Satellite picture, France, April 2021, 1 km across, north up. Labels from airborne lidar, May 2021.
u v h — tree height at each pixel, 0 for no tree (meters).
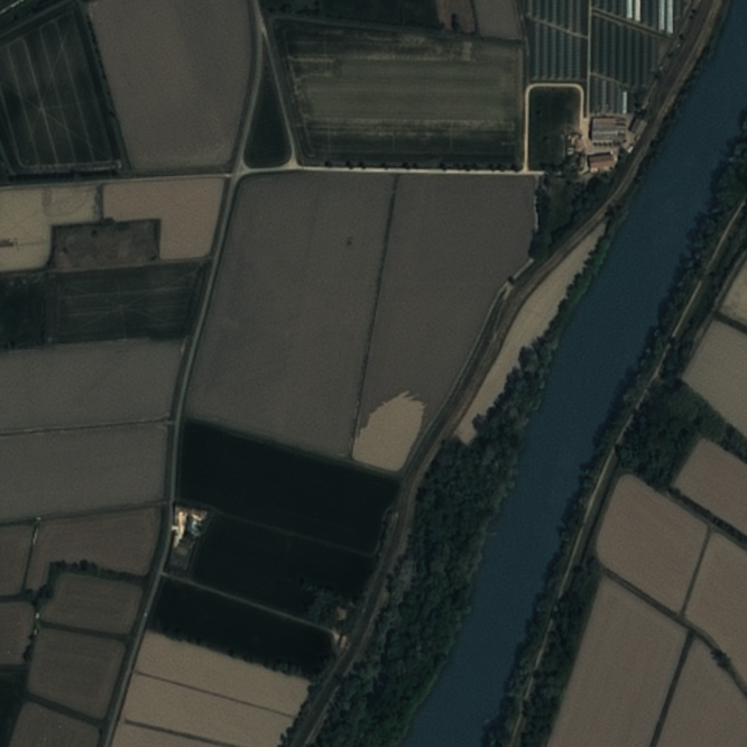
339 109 0
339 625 7
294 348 0
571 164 11
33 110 0
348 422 0
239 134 0
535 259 16
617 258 0
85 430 0
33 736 0
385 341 0
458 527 19
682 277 19
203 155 0
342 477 0
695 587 0
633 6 0
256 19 0
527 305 0
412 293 0
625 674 0
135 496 0
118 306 0
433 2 0
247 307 0
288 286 0
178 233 0
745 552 0
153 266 0
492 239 0
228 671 0
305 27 0
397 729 10
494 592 0
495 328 0
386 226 0
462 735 0
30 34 0
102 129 0
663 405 23
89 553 0
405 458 0
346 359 0
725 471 0
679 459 13
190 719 0
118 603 0
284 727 0
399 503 0
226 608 0
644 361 9
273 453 0
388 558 0
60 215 0
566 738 0
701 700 0
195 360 0
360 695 11
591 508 0
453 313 0
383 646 9
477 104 0
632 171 0
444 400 0
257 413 0
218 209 0
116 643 0
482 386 0
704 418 28
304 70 0
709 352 0
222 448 0
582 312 0
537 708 18
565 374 0
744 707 0
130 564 0
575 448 0
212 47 0
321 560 0
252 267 0
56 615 0
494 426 21
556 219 0
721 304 0
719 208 21
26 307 0
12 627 0
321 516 0
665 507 0
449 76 0
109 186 0
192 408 0
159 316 0
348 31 0
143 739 0
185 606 0
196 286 0
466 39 0
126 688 0
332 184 0
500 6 0
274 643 0
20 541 0
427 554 12
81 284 0
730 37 0
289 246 0
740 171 15
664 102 0
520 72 0
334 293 0
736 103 0
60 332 0
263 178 0
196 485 0
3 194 0
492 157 0
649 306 0
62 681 0
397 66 0
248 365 0
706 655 0
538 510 0
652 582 0
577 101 0
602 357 0
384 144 0
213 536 0
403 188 0
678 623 0
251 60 0
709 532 0
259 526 0
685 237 0
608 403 0
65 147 0
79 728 0
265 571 0
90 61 0
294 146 0
